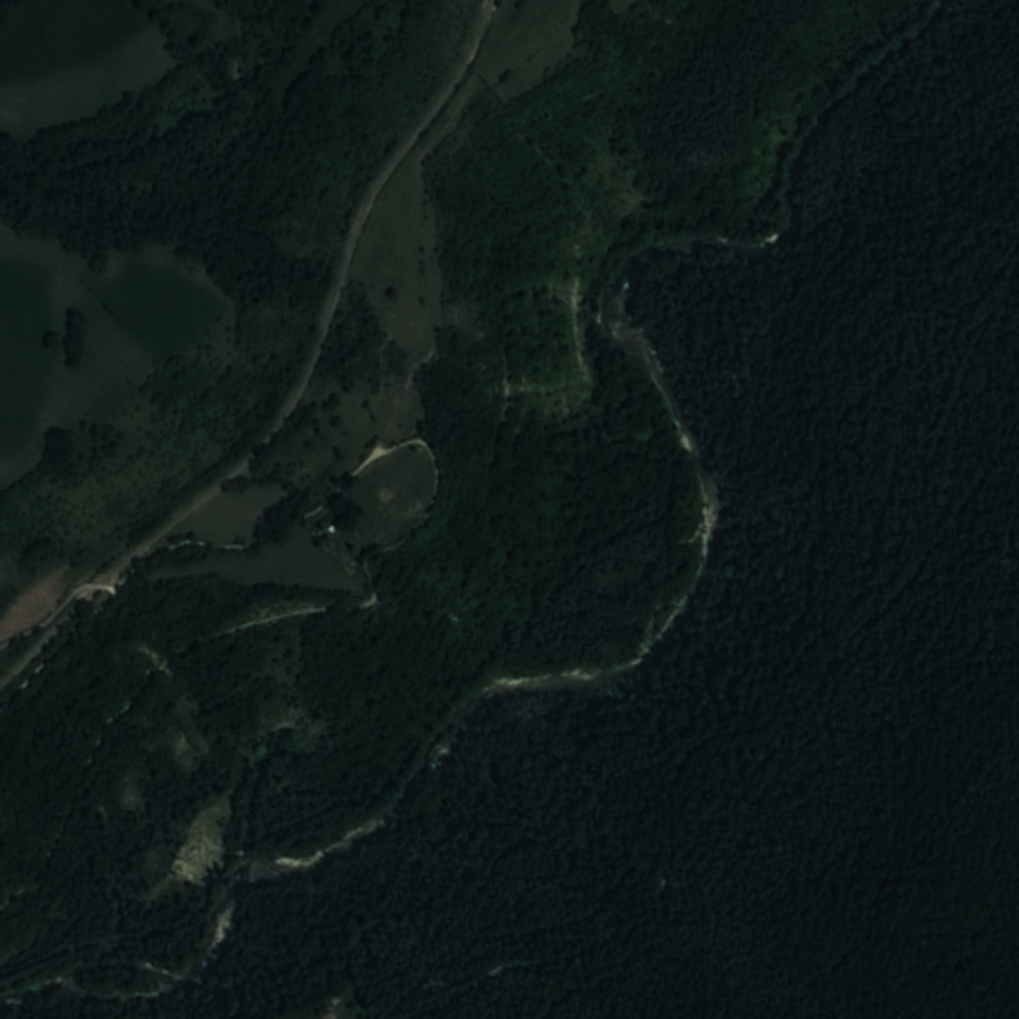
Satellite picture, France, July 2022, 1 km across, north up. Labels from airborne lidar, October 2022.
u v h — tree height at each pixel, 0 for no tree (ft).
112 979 60
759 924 78
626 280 0
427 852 37
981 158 94
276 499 0
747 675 92
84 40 0
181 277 0
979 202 91
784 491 33
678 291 84
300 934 82
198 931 61
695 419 75
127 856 27
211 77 50
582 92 24
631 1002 81
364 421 0
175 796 57
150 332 0
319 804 52
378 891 58
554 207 29
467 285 32
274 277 76
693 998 76
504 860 82
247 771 23
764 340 93
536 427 52
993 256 96
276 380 53
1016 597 85
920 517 79
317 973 122
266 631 19
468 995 58
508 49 0
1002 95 83
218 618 41
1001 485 57
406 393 0
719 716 79
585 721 60
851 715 95
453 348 36
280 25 40
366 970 76
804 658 97
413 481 0
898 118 54
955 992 110
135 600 64
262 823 40
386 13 67
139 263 0
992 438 85
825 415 64
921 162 85
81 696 44
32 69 0
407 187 0
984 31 71
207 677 32
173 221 70
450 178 19
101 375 0
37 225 80
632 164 20
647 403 75
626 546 70
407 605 70
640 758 91
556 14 0
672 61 43
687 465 87
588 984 66
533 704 76
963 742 116
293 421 31
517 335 34
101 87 0
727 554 86
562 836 99
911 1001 96
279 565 0
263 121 28
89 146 66
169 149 83
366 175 20
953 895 96
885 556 64
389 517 0
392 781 39
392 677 61
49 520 19
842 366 80
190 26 0
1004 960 90
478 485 34
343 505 62
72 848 47
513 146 52
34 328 0
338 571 0
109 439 27
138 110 42
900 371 100
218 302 0
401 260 0
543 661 37
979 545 84
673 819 85
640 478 49
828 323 103
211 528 0
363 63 45
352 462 0
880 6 31
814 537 49
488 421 21
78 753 65
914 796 107
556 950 52
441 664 36
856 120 79
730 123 82
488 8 0
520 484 75
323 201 23
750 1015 84
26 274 0
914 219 75
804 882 84
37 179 62
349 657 56
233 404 23
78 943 85
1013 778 100
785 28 70
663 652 77
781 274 73
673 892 67
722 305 86
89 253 53
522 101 36
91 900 79
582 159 35
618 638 84
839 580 65
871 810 76
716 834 67
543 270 22
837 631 58
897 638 84
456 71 0
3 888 42
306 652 32
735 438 71
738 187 51
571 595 72
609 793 78
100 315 0
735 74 72
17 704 70
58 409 0
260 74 71
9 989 21
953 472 54
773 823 76
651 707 44
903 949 92
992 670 82
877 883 74
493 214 50
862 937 102
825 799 62
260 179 56
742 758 79
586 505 50
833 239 73
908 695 78
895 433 89
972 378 107
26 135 0
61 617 0
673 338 76
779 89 26
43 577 0
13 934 39
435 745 0
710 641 58
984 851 110
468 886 75
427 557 49
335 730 25
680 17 44
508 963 39
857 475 74
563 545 60
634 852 70
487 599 46
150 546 0
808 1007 79
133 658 32
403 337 0
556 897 69
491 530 53
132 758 47
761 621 66
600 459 87
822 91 61
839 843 40
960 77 80
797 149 61
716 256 92
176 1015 37
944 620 63
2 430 0
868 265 91
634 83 26
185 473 24
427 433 36
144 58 0
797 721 67
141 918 86
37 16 0
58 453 64
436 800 37
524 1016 63
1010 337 102
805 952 103
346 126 44
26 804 58
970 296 111
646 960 71
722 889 57
